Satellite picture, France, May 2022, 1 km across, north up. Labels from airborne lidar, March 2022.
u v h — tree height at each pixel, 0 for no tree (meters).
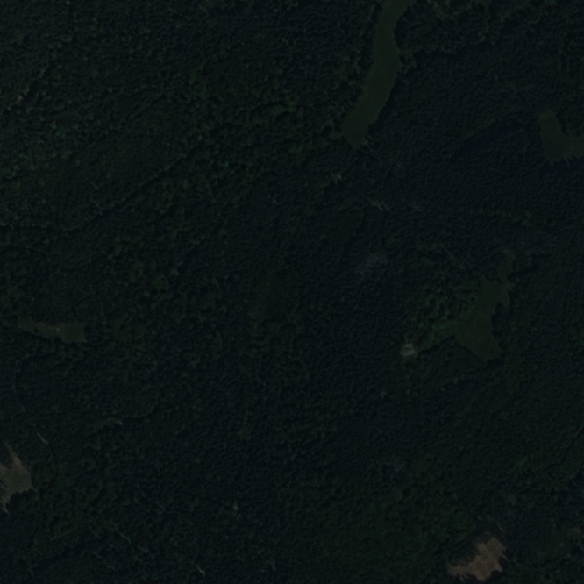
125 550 25
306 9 31
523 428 16
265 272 27
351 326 30
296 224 21
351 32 30
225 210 29
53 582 23
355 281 28
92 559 23
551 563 10
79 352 30
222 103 19
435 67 33
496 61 28
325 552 20
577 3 21
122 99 20
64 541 7
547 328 28
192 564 31
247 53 18
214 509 29
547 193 31
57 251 17
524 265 9
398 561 19
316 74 29
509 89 34
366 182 24
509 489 25
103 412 22
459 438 22
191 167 30
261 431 23
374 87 0
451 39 17
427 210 27
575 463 9
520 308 24
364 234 22
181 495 28
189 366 29
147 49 23
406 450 20
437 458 22
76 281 23
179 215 31
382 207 21
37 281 24
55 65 21
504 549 25
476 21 28
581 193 27
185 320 30
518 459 21
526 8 7
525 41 29
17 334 27
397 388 18
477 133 17
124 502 32
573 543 7
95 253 18
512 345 14
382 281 17
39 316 25
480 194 28
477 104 30
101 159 14
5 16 25
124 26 23
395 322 25
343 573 18
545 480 11
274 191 26
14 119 7
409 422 18
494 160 32
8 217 7
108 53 22
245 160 32
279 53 20
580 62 22
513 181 29
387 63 0
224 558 28
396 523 20
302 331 14
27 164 10
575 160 0
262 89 18
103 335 27
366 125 0
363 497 17
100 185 18
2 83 16
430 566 12
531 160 32
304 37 28
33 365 23
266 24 26
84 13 25
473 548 26
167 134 14
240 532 30
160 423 23
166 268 29
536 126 32
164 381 26
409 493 27
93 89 24
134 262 37
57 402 24
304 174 24
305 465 29
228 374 24
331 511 23
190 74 21
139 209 24
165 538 32
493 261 24
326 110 23
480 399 21
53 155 13
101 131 14
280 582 30
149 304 35
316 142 22
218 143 25
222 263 23
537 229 23
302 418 22
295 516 16
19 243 27
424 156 26
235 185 27
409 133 33
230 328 31
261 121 32
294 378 12
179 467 28
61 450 23
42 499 24
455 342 16
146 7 26
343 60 36
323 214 23
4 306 14
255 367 18
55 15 25
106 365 27
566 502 23
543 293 20
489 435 25
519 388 15
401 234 21
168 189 26
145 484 39
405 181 32
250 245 23
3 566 27
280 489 15
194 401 29
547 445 13
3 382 27
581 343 18
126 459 30
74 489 20
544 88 32
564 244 17
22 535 24
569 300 32
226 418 33
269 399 16
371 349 21
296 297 14
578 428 14
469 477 26
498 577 24
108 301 27
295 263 29
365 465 20
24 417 23
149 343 34
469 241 22
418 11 29
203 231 31
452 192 32
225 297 29
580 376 22
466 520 24
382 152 29
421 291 17
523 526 23
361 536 10
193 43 23
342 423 23
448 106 31
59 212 10
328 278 24
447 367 19
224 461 29
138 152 13
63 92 24
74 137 16
